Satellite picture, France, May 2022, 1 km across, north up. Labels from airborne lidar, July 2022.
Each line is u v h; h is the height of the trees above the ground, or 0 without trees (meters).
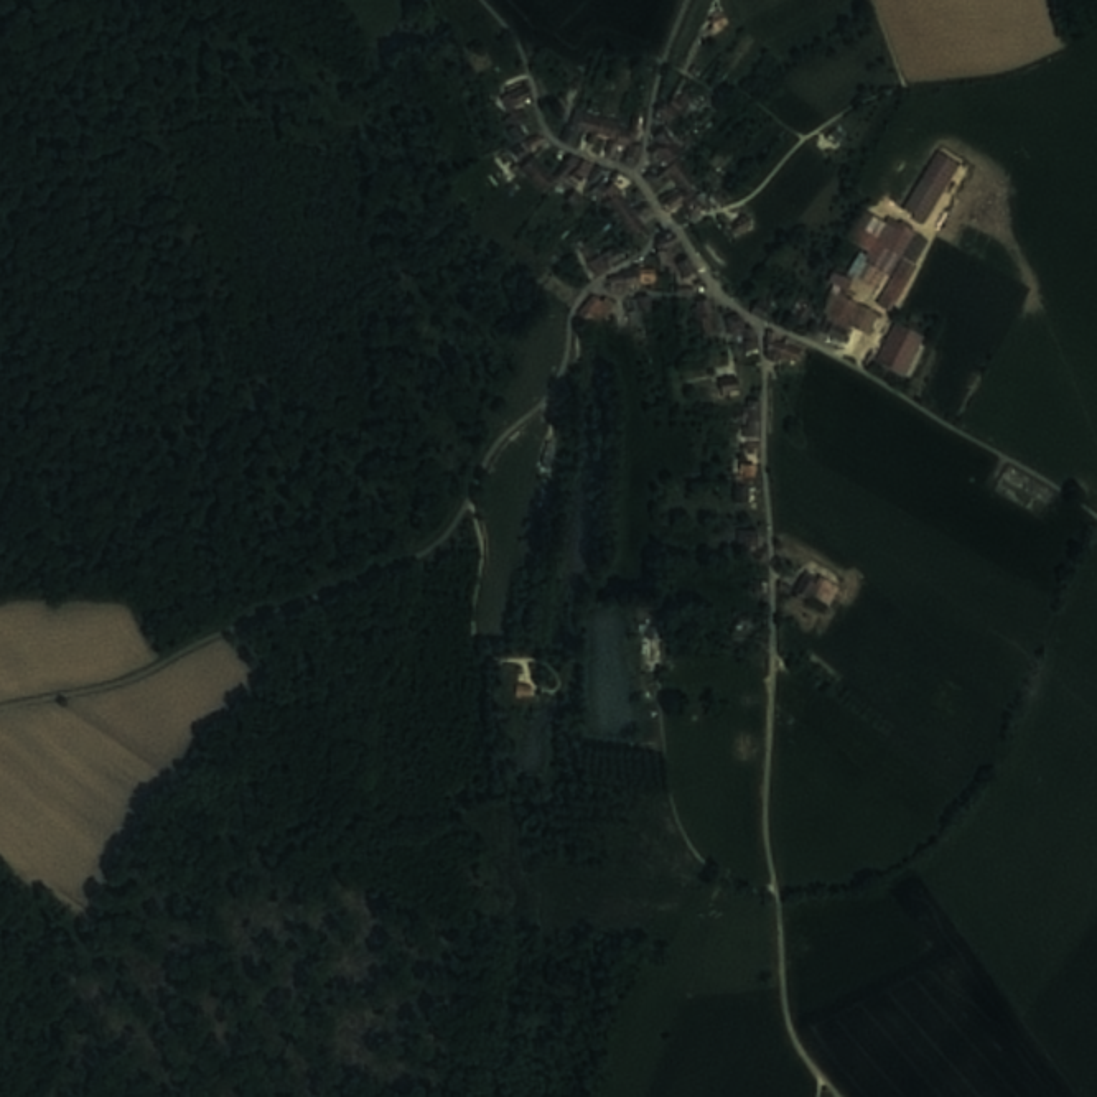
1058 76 0
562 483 20
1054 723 0
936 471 0
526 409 0
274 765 21
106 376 19
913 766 0
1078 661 0
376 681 23
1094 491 0
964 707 0
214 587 22
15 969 28
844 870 0
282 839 25
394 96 29
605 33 0
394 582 21
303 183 12
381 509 24
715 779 0
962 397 0
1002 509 0
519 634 20
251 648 19
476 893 12
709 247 0
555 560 14
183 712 0
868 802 0
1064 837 0
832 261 12
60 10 32
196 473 16
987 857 0
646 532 0
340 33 14
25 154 26
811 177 0
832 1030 0
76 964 26
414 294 0
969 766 0
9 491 29
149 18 29
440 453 25
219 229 10
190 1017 25
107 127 21
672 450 0
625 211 0
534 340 0
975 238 0
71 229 27
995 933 0
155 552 27
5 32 32
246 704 28
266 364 12
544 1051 22
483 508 13
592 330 16
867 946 0
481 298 28
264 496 22
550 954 8
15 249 27
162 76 28
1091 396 0
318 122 19
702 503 0
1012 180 0
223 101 6
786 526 0
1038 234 0
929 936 0
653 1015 0
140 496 28
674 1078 0
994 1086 0
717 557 20
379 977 23
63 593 23
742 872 0
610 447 29
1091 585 0
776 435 0
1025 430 0
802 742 0
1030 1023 0
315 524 26
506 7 0
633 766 22
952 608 0
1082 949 0
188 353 32
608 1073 19
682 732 0
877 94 8
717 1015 0
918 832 0
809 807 0
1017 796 0
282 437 24
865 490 0
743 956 0
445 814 12
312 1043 29
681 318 8
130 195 26
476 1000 27
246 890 25
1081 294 0
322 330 15
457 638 13
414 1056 24
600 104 0
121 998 24
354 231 10
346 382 12
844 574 0
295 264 13
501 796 23
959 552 0
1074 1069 0
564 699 15
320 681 24
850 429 0
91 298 25
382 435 26
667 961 17
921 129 0
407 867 14
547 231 6
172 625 27
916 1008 0
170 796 28
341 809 27
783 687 0
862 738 0
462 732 10
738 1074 0
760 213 0
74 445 25
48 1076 27
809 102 0
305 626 25
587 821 20
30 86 26
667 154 0
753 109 7
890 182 0
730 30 0
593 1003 6
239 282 10
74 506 31
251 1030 27
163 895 26
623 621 0
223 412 23
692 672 0
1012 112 0
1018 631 0
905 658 0
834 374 0
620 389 23
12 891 31
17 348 23
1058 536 0
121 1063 28
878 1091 0
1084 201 0
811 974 0
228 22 15
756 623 7
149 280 17
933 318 10
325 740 28
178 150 10
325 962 26
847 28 17
